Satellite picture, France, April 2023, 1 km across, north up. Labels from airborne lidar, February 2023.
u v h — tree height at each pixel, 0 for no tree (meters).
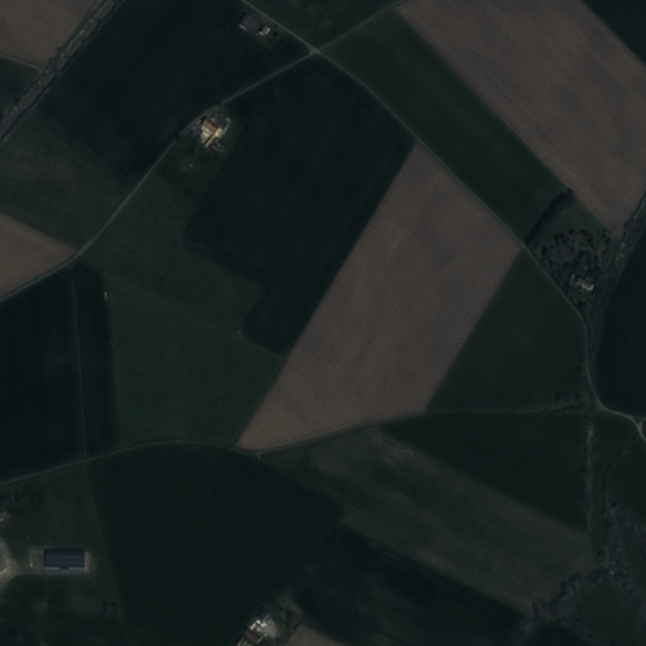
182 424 0
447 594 0
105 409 0
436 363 0
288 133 0
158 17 0
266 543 0
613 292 0
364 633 0
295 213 0
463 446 0
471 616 0
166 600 0
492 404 0
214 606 0
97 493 0
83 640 0
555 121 0
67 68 0
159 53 0
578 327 0
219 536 0
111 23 0
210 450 0
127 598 0
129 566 0
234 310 0
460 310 0
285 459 0
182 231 0
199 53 0
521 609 0
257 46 0
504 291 0
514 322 0
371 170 0
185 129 0
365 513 0
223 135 0
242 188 0
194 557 0
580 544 0
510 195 0
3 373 0
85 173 0
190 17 0
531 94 0
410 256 0
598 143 0
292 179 0
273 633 0
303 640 0
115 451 0
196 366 0
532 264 0
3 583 0
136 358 0
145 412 0
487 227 0
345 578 0
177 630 0
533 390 0
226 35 0
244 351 0
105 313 0
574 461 0
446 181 0
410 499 0
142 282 0
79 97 0
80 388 0
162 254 0
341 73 0
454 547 0
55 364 0
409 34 0
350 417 0
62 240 0
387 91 0
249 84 0
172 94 0
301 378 0
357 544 0
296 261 0
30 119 0
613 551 6
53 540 0
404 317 0
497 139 0
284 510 0
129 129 0
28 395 0
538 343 0
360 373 0
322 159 0
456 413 0
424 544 0
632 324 0
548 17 0
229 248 0
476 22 0
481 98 0
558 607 21
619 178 0
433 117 0
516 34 0
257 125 0
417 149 0
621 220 0
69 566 0
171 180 0
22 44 0
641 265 0
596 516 0
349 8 0
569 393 0
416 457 0
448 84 0
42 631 0
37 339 0
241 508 0
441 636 0
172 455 0
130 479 0
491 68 0
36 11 0
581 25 0
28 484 0
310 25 0
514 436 0
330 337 0
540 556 0
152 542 0
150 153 0
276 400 0
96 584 0
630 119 0
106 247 0
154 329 0
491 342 0
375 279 0
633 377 0
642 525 0
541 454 0
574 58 0
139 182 0
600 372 0
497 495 0
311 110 0
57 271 0
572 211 0
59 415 0
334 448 0
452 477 0
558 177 0
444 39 0
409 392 0
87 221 0
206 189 0
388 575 0
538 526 0
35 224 0
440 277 0
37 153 0
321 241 0
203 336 0
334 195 0
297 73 0
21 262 0
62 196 0
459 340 0
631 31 0
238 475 0
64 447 0
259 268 0
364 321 0
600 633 0
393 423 0
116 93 0
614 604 0
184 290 0
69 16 0
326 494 0
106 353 0
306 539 0
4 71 0
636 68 0
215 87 0
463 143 0
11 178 0
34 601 0
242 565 0
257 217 0
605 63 0
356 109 0
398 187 0
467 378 0
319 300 0
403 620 0
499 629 0
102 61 0
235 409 0
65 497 0
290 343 0
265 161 0
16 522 0
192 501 0
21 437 0
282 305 0
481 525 0
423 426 0
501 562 0
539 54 0
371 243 0
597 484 0
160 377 0
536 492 0
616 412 0
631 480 0
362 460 0
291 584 0
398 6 0
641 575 0
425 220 0
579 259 12
